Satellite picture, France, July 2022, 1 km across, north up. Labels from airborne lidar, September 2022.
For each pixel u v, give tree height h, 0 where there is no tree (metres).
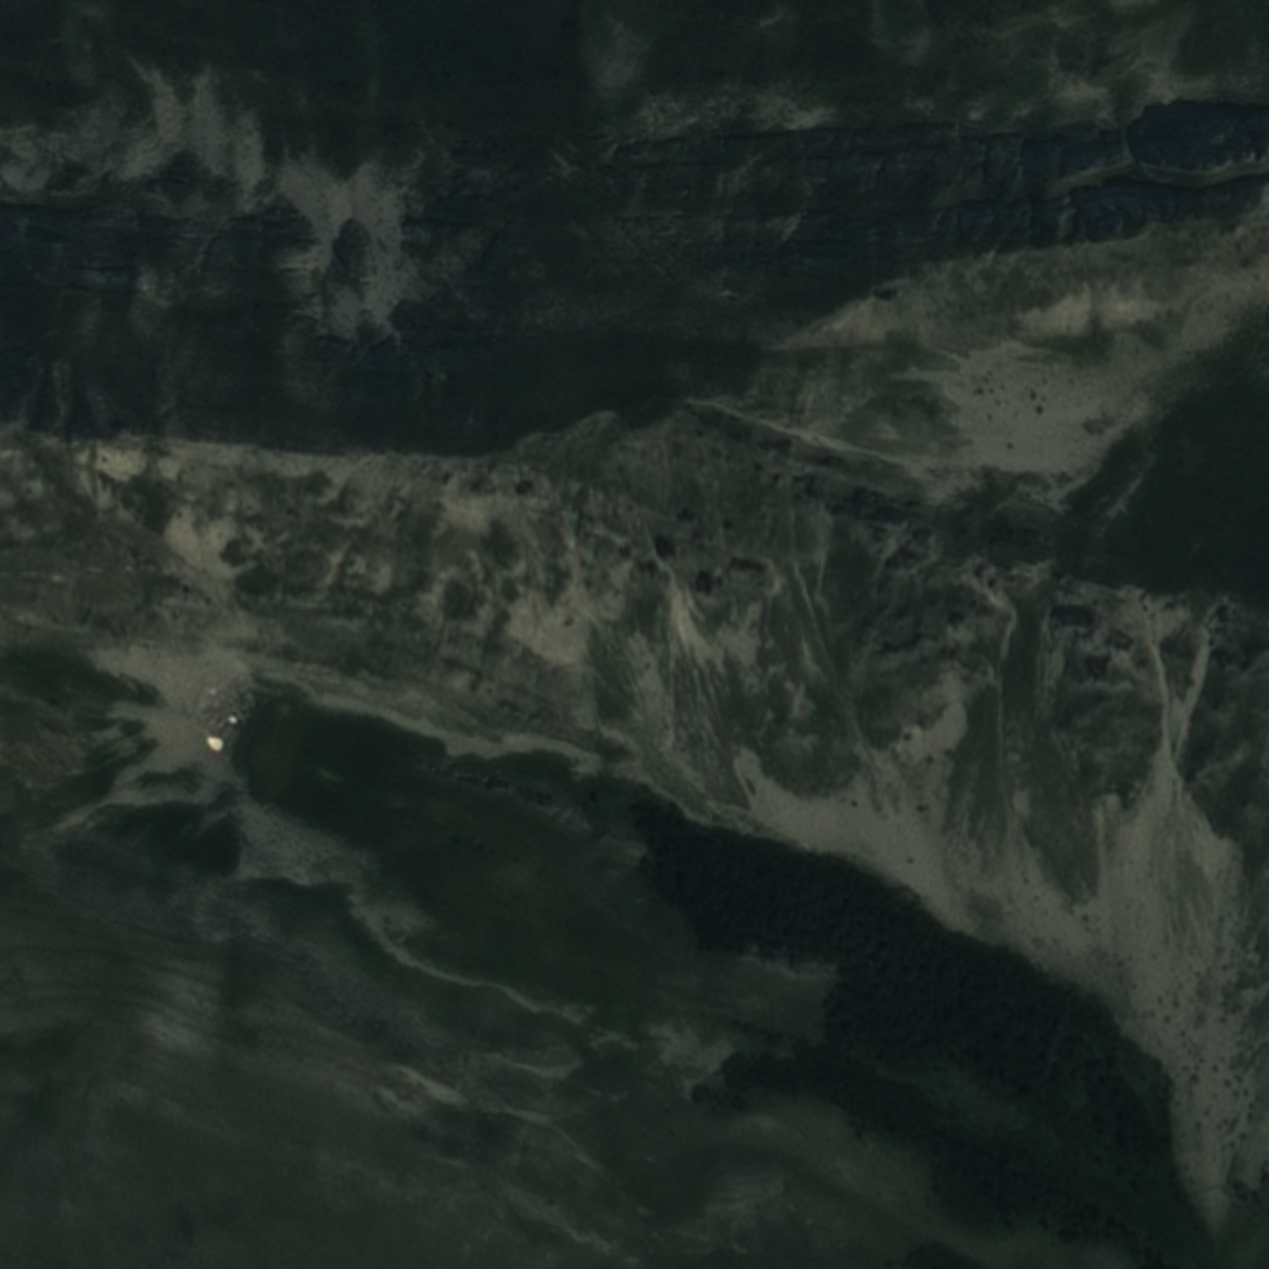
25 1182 0
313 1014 0
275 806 0
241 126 0
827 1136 0
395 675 0
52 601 0
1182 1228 0
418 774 0
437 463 0
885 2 0
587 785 0
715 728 0
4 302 0
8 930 0
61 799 0
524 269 0
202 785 0
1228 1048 0
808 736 0
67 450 0
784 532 0
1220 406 0
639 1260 0
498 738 0
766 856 8
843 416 0
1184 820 0
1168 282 0
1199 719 0
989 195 0
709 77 0
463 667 0
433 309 0
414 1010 0
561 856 0
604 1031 0
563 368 0
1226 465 0
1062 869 0
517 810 0
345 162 0
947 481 0
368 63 0
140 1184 0
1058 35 0
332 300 0
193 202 0
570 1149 0
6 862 0
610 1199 0
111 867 0
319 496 0
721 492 0
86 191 0
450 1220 0
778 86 0
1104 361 0
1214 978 0
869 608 0
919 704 0
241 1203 0
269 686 0
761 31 0
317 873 0
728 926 14
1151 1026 0
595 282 0
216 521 0
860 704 0
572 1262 0
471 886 0
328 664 0
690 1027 0
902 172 0
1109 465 0
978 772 0
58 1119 0
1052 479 0
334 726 0
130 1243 0
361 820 0
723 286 0
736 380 0
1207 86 0
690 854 23
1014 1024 23
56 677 0
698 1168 0
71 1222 0
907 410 0
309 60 0
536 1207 0
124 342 0
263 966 0
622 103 0
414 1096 0
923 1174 0
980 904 0
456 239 0
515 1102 0
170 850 0
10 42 0
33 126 0
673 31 0
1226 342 0
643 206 0
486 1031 0
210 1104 0
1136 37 0
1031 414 0
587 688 0
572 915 0
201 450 0
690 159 0
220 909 0
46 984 0
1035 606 0
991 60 0
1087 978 0
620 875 0
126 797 0
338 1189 0
